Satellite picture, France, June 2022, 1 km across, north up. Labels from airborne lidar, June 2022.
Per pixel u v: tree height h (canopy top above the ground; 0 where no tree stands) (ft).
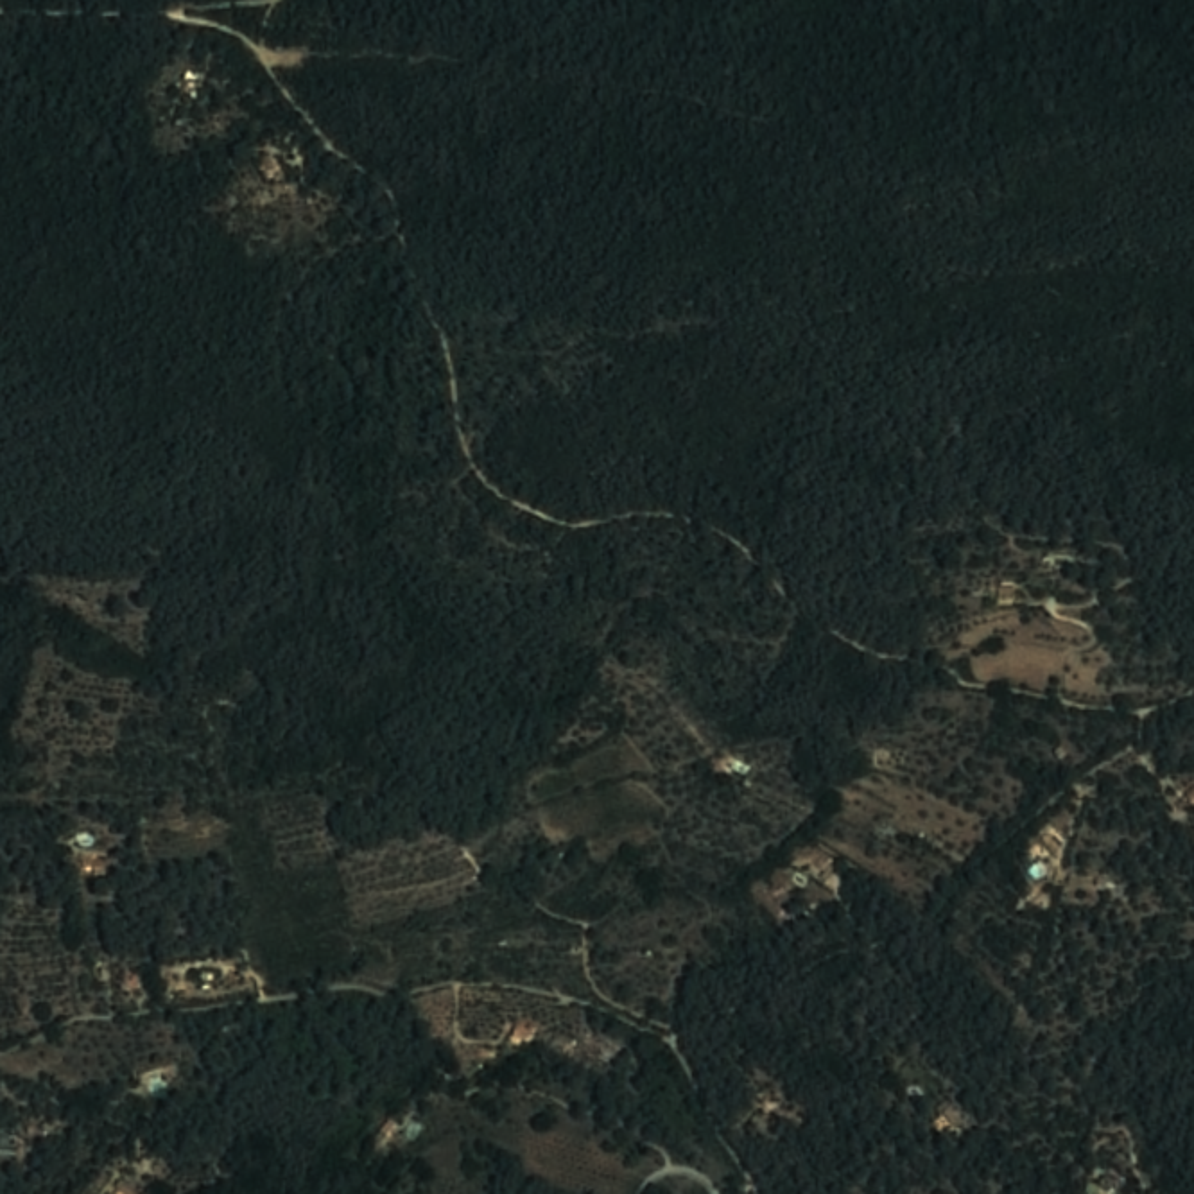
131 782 17
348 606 66
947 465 63
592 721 26
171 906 63
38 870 67
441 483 38
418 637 57
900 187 40
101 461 50
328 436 35
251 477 64
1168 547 80
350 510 69
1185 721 56
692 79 36
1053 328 29
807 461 52
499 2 55
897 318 21
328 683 56
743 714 43
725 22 34
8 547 66
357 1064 23
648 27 37
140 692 58
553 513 51
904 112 37
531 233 44
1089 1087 60
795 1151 60
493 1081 36
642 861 24
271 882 0
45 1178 73
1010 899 23
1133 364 21
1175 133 34
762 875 37
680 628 41
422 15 49
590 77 46
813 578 61
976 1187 57
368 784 23
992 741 22
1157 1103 57
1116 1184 0
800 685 42
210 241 36
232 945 73
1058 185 18
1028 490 63
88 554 67
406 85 23
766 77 35
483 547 32
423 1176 31
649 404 22
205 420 48
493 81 50
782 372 46
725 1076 70
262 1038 60
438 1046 69
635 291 38
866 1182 65
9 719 40
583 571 24
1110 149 41
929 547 48
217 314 28
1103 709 19
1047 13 36
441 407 26
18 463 45
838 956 26
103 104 50
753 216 20
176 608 68
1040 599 41
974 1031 22
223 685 31
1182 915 27
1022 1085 61
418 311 50
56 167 33
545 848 20
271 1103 66
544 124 38
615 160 21
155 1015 26
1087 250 46
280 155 24
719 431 24
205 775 21
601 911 23
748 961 22
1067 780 50
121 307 29
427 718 58
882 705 69
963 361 48
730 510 64
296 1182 68
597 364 18
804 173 29
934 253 37
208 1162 58
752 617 52
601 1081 59
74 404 53
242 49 22
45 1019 39
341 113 28
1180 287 19
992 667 0
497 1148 34
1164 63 47
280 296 48
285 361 17
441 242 44
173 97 29
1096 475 65
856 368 40
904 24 27
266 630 28
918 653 49
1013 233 45
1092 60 25
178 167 36
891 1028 74
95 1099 54
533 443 23
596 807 0
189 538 53
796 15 27
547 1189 83
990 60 44
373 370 44
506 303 44
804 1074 44
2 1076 35
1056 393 26
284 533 61
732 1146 61
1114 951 50
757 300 45
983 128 27
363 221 62
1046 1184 64
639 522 62
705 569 20
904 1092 35
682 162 20
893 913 78
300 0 23
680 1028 28
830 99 26
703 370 27
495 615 59
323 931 0
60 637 26
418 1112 21
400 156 26
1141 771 26
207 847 0
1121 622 58
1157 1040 66
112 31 25
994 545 49
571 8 54
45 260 51
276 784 49
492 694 65
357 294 20
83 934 64
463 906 31
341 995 28
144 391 37
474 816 50
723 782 45
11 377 55
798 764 24
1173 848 49
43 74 27
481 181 36
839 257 35
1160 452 34
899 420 66
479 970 41
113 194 17
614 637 37
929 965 65
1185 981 53
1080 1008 62
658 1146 52
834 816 31
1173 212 32
